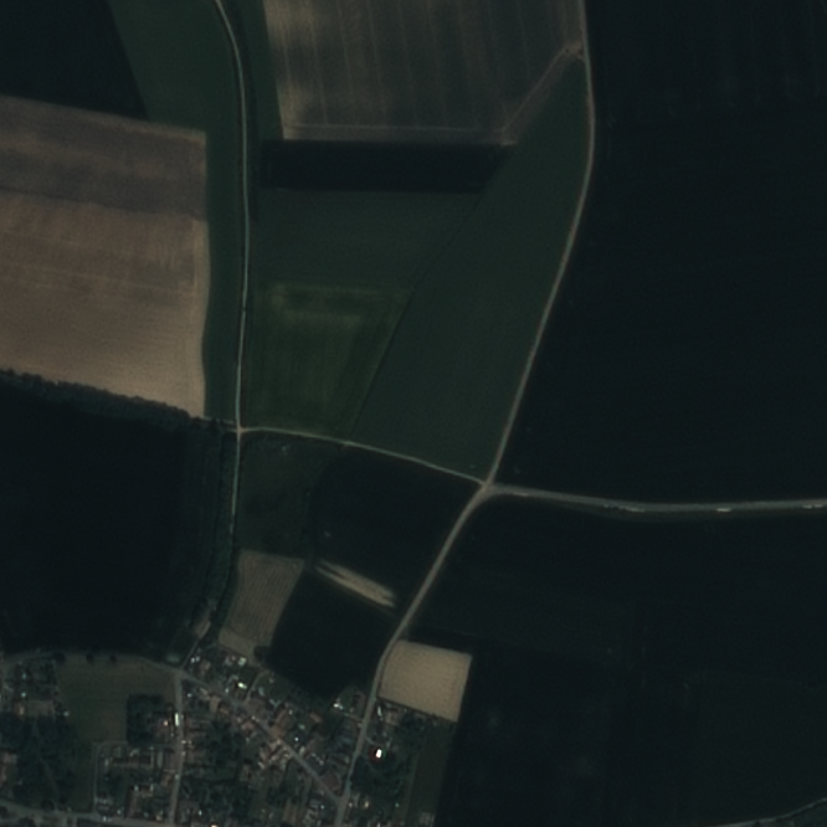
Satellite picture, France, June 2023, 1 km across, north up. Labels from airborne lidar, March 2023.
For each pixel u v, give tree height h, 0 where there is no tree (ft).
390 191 0
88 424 0
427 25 0
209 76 0
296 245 0
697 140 0
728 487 0
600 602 0
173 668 0
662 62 0
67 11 0
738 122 0
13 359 0
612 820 0
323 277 0
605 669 0
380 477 0
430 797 0
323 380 0
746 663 0
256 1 0
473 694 0
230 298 0
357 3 0
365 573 0
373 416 0
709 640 0
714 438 0
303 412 0
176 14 0
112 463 0
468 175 0
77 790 0
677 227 0
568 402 0
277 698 0
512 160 0
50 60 0
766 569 0
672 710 0
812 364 0
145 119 0
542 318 0
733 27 0
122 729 0
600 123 0
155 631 0
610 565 0
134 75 0
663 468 0
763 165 0
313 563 0
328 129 0
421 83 0
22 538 0
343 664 0
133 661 0
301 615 0
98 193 0
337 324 0
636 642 0
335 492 0
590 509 0
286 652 0
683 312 0
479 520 0
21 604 0
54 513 0
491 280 0
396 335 0
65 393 33
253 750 0
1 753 0
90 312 0
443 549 0
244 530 0
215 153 0
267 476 0
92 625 0
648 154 0
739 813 0
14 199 0
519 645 0
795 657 0
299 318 0
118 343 0
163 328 0
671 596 0
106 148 0
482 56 0
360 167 0
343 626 0
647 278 0
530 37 0
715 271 0
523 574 0
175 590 0
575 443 0
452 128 0
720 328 0
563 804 0
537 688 0
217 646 0
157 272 0
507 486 0
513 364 0
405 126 0
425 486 0
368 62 0
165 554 0
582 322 0
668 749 0
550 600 0
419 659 0
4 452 0
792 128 0
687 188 0
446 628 0
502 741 0
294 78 0
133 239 0
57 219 0
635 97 0
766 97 0
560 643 0
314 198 0
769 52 0
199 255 0
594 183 0
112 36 0
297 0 0
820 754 0
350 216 0
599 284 0
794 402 0
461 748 0
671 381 0
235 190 0
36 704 0
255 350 0
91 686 0
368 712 0
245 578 0
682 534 0
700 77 0
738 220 0
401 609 0
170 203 0
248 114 0
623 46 0
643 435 0
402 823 0
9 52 0
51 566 0
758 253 0
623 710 0
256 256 0
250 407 0
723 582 0
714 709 0
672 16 0
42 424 0
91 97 0
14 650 0
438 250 0
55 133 0
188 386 0
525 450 0
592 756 0
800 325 0
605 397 0
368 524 0
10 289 0
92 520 0
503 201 0
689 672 0
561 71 0
